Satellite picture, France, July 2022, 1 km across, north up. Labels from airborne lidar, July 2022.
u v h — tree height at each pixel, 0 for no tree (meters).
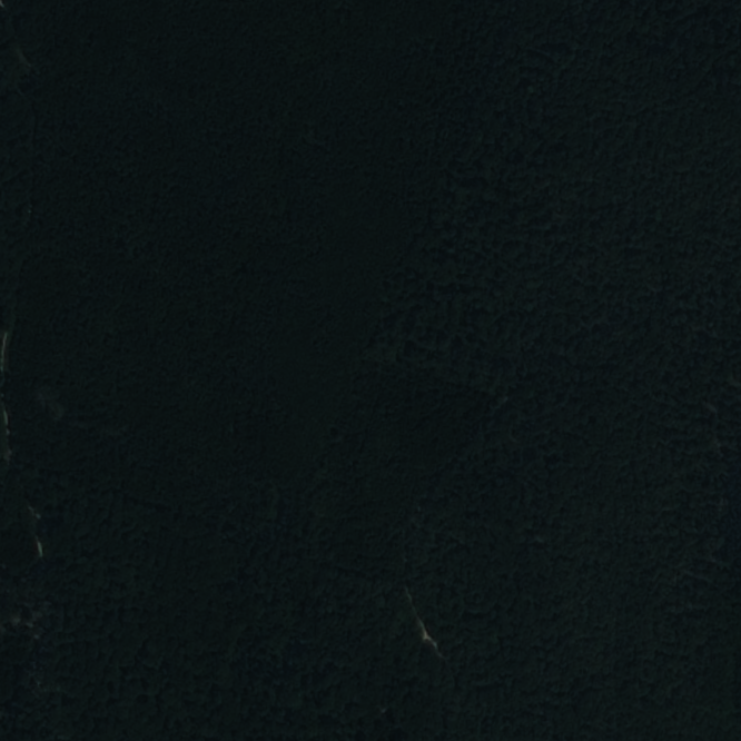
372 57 16
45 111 18
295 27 26
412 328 19
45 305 15
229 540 30
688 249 17
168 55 20
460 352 20
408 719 24
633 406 18
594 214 19
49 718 29
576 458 22
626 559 18
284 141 18
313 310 18
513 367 26
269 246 17
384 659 22
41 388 17
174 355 24
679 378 15
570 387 20
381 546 10
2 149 30
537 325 16
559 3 25
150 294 22
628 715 18
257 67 20
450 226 19
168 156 22
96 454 19
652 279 13
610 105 19
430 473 6
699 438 18
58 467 16
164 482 15
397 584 12
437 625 18
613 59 24
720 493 13
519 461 25
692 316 19
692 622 18
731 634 20
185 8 17
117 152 25
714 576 18
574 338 20
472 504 21
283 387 16
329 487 11
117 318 24
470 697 19
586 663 20
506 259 6
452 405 12
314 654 31
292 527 28
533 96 25
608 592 19
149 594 25
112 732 24
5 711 11
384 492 8
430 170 23
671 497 14
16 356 10
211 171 19
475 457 25
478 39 17
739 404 21
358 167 21
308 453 11
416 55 25
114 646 28
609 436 19
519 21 22
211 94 16
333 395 13
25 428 14
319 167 17
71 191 21
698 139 19
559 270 17
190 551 26
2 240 28
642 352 22
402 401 10
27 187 21
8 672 17
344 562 14
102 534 31
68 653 28
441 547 15
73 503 24
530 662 23
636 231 20
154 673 27
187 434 17
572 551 18
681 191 17
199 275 25
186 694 7
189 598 24
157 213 24
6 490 28
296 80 20
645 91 21
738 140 17
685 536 18
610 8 24
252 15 19
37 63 23
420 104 20
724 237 18
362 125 21
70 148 24
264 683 25
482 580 22
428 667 21
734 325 15
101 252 19
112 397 16
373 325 14
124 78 16
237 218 19
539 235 11
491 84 23
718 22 25
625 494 19
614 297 19
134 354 20
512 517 25
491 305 22
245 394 26
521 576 21
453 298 21
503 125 27
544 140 23
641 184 18
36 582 31
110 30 15
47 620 29
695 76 27
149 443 20
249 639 18
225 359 20
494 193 21
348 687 27
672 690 13
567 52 26
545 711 21
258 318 18
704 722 15
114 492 26
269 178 22
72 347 23
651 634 18
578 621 18
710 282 16
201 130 14
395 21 14
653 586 16
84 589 27
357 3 24
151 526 29
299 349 14
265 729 20
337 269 14
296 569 26
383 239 14
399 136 24
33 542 16
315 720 29
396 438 12
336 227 16
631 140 17
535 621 21
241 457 19
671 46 25
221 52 17
